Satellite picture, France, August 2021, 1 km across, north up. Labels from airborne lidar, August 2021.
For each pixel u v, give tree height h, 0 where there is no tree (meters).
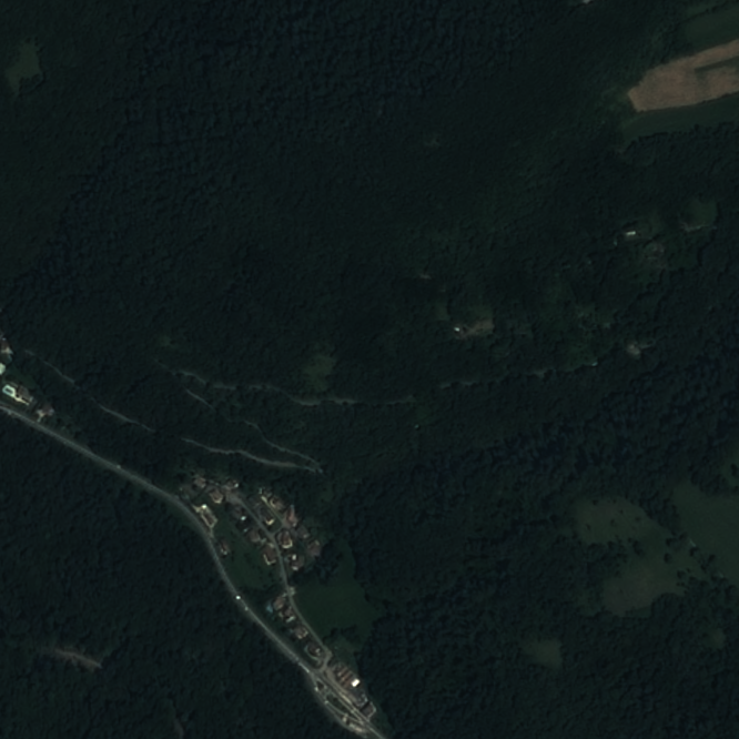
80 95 24
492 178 18
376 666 15
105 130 26
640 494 11
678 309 24
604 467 27
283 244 20
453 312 20
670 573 0
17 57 10
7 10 13
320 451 16
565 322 7
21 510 29
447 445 24
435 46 32
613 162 17
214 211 23
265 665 26
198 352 17
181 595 28
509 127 17
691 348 23
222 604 17
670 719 10
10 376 7
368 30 27
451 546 26
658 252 6
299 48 14
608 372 26
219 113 23
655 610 13
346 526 22
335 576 24
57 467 18
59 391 18
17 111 17
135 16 25
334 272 16
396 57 24
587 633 18
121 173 29
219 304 24
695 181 16
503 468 25
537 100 15
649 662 16
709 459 25
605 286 18
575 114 13
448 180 18
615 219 23
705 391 27
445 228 12
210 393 10
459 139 13
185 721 27
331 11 29
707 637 10
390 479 30
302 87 22
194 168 30
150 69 32
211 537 0
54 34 17
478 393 24
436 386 18
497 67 12
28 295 19
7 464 24
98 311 18
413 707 12
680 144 17
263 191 16
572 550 11
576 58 21
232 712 33
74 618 29
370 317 15
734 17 0
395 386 20
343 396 17
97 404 12
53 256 19
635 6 17
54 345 17
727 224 24
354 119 19
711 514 0
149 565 29
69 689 22
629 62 11
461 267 13
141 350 16
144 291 22
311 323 18
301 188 19
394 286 17
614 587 0
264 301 22
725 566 0
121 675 31
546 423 12
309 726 17
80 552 30
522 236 16
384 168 17
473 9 28
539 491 27
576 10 14
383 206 19
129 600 31
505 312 12
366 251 12
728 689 20
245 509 11
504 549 26
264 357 23
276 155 14
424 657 19
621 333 25
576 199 19
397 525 26
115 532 29
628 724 26
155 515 36
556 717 21
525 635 8
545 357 21
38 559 25
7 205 24
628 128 0
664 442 30
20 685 26
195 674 26
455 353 17
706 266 25
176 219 21
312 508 6
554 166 12
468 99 18
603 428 22
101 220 27
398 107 24
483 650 25
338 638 14
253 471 21
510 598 22
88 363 18
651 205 15
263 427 17
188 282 23
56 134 23
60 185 26
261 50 19
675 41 11
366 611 0
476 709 30
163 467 23
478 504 24
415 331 12
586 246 19
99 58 21
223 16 23
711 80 0
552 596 18
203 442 26
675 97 0
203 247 23
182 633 27
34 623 31
